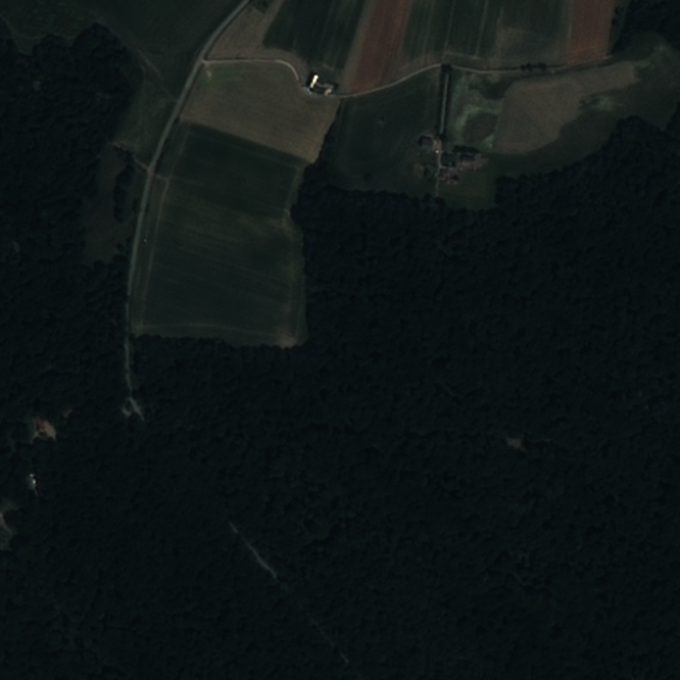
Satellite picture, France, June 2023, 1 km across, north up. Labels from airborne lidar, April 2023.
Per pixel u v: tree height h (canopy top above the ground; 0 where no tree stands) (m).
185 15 0
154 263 0
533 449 25
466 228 18
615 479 26
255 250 0
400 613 23
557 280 24
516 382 22
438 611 19
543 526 27
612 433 25
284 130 0
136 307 0
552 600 24
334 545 24
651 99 0
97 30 16
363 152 0
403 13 0
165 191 0
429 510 27
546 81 0
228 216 0
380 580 25
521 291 23
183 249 0
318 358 25
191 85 0
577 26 0
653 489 26
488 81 0
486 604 23
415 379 27
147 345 22
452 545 22
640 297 27
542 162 0
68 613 29
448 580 26
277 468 27
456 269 25
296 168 0
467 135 0
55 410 20
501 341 23
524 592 25
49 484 19
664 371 21
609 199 19
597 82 0
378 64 0
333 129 5
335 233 26
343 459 23
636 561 26
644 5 18
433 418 23
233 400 25
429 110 0
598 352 26
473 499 28
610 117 0
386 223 24
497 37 0
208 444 22
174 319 0
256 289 0
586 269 23
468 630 20
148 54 0
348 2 0
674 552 25
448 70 8
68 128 20
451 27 0
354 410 26
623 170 16
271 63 0
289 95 0
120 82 13
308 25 0
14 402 21
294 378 28
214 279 0
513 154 0
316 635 20
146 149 0
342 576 21
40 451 18
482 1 0
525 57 0
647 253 23
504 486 26
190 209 0
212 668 21
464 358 25
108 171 0
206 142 0
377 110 0
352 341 29
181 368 24
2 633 23
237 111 0
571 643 25
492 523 24
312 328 19
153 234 0
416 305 20
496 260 26
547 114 0
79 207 19
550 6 0
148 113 0
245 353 16
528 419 25
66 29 0
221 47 0
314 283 22
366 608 25
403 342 28
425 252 26
